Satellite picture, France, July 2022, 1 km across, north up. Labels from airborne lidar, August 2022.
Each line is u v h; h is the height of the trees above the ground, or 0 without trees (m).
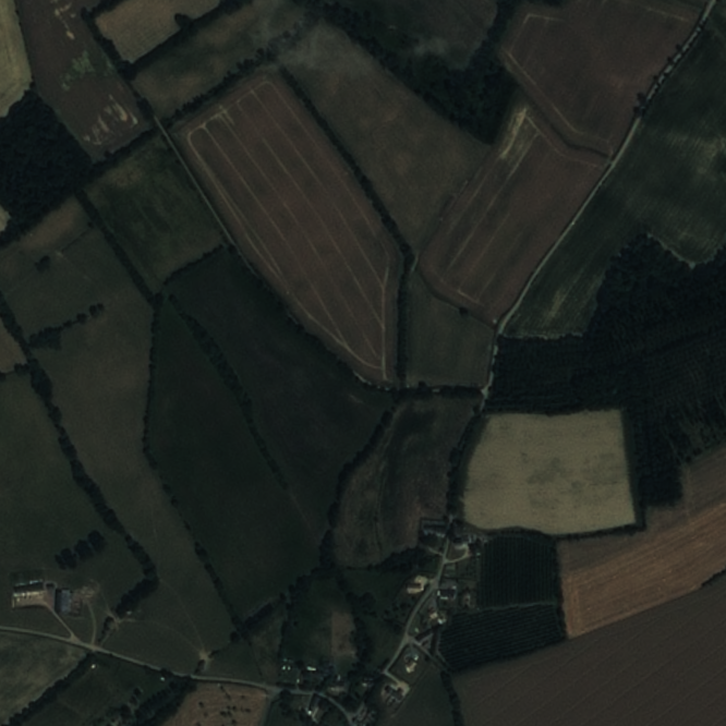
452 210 0
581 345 20
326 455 0
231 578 0
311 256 0
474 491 0
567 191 0
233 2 26
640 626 0
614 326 28
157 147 0
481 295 0
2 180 13
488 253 0
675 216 0
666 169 0
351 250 0
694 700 0
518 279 0
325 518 0
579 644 0
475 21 0
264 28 0
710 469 0
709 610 0
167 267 0
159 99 0
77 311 0
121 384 0
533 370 21
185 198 0
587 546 0
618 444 0
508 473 0
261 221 0
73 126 0
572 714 0
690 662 0
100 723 6
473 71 18
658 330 19
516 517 0
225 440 0
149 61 9
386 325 0
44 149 22
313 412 0
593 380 21
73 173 19
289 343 0
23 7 0
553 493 0
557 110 0
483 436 0
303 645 0
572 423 0
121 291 0
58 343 10
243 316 0
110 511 20
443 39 0
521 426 0
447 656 6
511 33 0
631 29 0
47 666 0
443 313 0
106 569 0
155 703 19
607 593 0
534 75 0
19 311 0
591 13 0
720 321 15
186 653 0
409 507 0
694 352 17
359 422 0
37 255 0
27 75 0
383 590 0
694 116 0
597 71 0
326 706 10
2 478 0
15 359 0
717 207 0
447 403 0
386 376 0
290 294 0
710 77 0
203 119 0
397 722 0
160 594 0
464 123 21
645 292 18
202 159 0
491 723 0
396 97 0
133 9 0
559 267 0
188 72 0
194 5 0
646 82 0
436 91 20
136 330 0
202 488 0
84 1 0
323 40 0
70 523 0
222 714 7
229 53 0
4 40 0
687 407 16
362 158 0
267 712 0
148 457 7
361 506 0
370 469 0
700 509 0
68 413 0
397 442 0
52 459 0
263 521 0
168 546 0
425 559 7
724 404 9
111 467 0
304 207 0
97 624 0
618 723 0
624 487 0
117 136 0
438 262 0
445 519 8
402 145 0
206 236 0
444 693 0
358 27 21
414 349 0
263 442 9
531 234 0
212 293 0
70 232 0
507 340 12
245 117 0
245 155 0
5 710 0
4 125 19
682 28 0
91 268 0
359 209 0
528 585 6
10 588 0
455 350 0
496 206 0
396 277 0
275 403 0
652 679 0
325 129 7
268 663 0
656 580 0
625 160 0
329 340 0
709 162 0
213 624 0
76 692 0
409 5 0
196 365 0
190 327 10
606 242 0
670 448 24
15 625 0
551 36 0
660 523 0
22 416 0
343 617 0
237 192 0
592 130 0
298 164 0
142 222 0
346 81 0
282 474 8
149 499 0
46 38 0
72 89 0
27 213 18
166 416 0
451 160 0
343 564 0
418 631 0
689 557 0
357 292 0
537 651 7
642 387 21
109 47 14
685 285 22
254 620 14
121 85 0
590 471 0
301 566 0
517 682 0
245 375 0
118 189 0
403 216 0
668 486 24
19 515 0
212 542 0
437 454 0
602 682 0
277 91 0
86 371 0
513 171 0
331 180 0
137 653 0
